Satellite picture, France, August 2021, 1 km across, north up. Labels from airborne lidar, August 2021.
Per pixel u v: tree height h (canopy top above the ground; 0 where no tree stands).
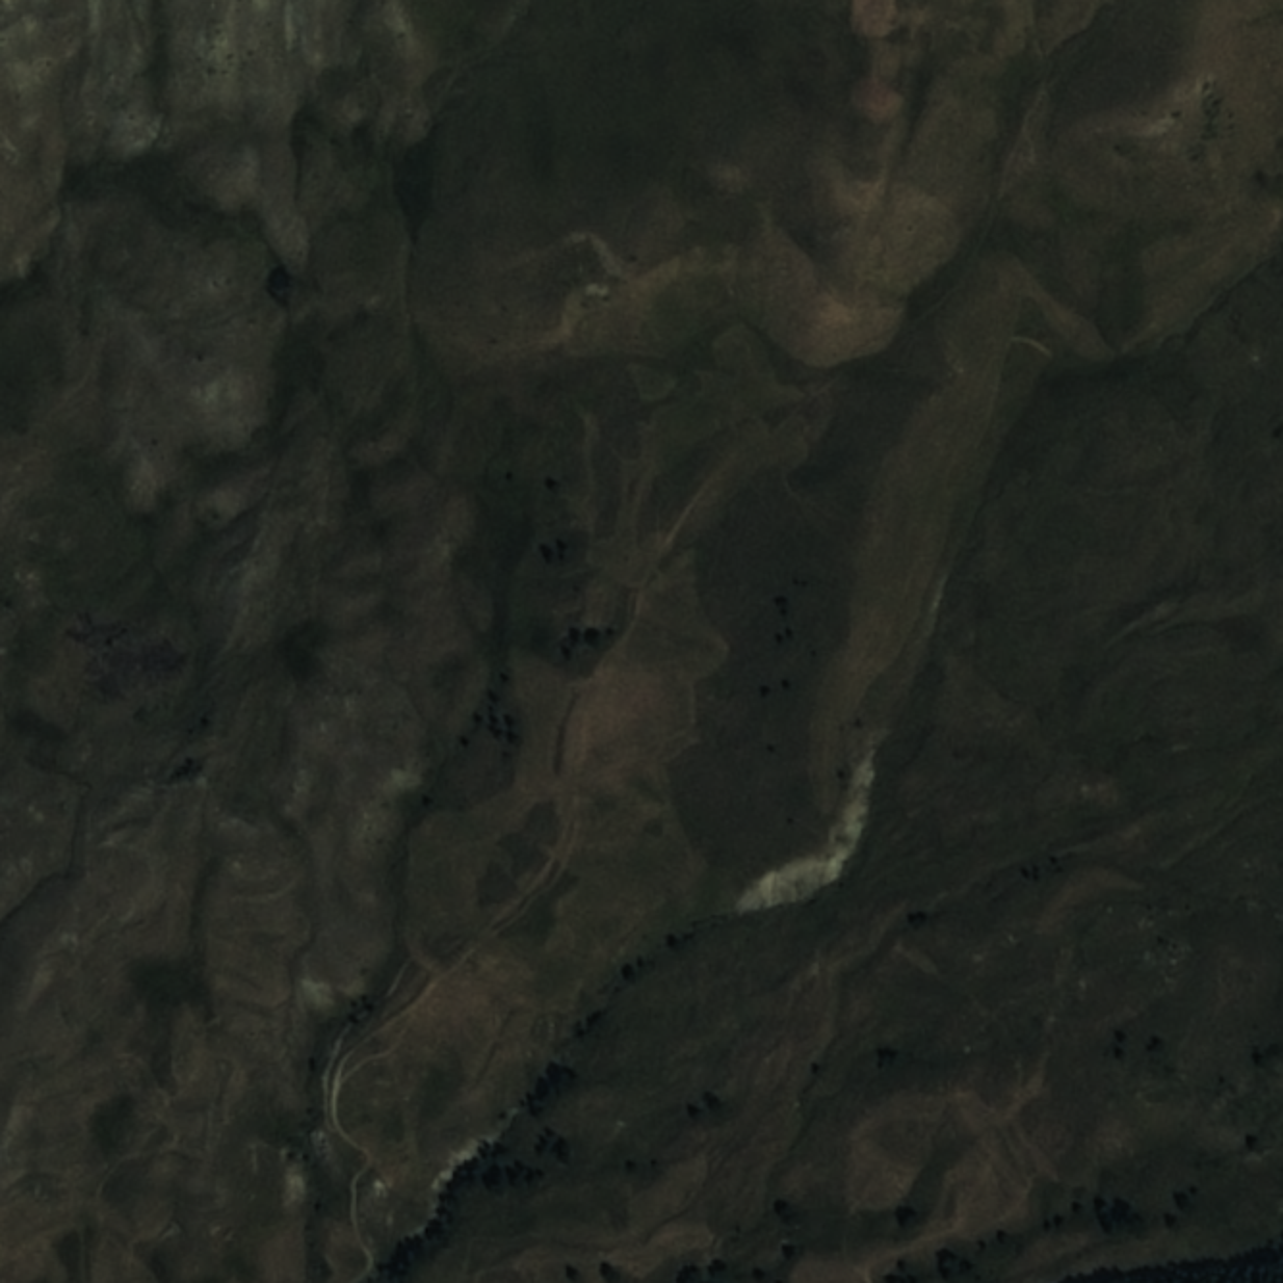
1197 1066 0
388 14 0
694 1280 19
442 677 0
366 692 0
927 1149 0
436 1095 0
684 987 0
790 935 0
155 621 0
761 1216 0
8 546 0
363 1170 0
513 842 0
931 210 0
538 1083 0
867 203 0
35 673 0
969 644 0
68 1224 0
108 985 0
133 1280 0
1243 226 0
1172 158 0
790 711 0
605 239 0
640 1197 0
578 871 0
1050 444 0
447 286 0
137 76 0
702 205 0
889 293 0
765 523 0
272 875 0
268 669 0
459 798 0
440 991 0
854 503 0
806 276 0
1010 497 0
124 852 0
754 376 0
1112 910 0
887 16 0
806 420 0
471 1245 0
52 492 0
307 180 0
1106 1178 0
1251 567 0
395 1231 0
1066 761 0
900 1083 0
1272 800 0
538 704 0
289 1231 0
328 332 0
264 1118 0
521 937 0
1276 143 0
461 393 0
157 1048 0
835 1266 0
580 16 0
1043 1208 0
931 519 0
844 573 0
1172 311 0
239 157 0
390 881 0
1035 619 0
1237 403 0
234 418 0
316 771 0
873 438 0
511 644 0
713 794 0
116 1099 0
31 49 0
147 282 0
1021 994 0
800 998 0
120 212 0
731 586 0
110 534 0
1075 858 0
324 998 0
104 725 0
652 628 0
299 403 0
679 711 0
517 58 0
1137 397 0
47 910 0
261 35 0
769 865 0
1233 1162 0
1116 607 0
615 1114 0
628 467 0
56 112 0
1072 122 0
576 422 0
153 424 0
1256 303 0
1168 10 0
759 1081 0
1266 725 0
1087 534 0
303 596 0
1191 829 0
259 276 0
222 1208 0
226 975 0
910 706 0
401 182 0
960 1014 0
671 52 0
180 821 0
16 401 0
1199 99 0
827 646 0
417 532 0
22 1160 0
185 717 0
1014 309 0
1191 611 0
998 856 0
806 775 0
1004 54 0
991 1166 0
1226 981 0
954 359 0
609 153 0
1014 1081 0
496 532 0
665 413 0
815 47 0
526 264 0
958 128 0
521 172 0
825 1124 0
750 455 0
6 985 0
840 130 0
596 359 0
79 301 0
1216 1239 0
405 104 0
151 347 0
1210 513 0
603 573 0
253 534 0
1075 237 0
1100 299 0
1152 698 0
